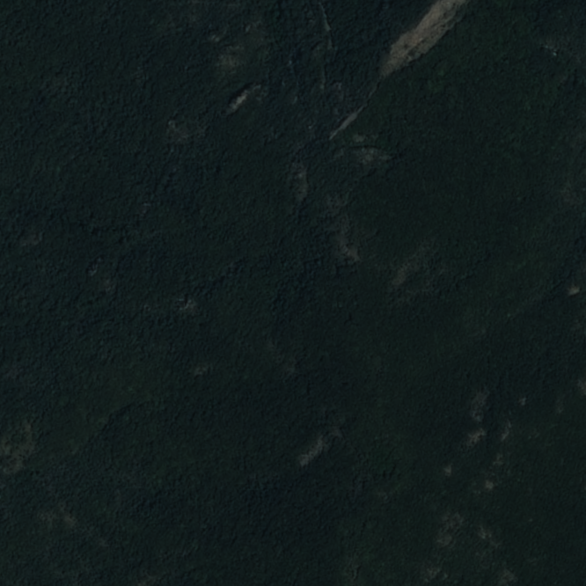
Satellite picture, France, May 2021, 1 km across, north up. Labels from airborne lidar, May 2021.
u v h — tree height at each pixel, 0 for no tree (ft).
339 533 35
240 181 63
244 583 58
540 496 33
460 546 29
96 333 50
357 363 52
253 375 31
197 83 25
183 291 35
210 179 55
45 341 25
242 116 32
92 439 36
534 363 36
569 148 22
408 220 52
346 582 24
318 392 46
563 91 41
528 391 29
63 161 25
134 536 29
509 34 56
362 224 39
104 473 18
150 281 36
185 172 23
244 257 42
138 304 29
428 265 28
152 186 19
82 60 29
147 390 49
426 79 54
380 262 31
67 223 58
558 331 40
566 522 39
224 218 64
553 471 30
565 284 37
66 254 34
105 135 32
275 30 32
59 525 26
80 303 51
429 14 0
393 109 61
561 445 28
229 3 23
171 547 31
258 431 43
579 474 31
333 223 19
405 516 26
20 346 31
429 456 45
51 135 31
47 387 23
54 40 38
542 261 42
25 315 39
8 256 28
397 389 41
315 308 49
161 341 37
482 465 28
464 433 53
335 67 49
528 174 37
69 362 31
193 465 59
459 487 39
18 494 23
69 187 33
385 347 25
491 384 32
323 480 58
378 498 23
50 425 37
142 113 29
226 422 47
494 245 52
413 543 34
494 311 31
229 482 57
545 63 32
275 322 36
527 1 61
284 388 36
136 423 43
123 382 50
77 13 52
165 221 49
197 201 51
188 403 54
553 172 24
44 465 24
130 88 25
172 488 42
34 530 18
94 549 24
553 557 44
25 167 22
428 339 48
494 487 23
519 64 73
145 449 40
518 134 41
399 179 55
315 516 50
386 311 39
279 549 35
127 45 38
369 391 30
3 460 32
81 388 36
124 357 41
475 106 67
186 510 68
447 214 50
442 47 58
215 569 46
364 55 35
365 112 37
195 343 45
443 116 64
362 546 21
